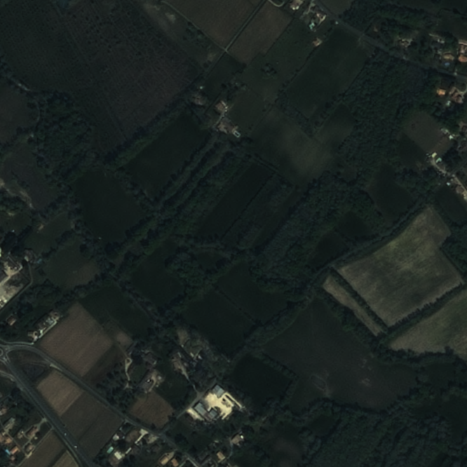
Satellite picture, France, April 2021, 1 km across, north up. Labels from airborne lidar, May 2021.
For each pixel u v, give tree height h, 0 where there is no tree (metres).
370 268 0
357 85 6
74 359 0
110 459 0
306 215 22
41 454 0
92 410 0
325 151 0
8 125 0
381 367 0
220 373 18
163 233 25
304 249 25
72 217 16
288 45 0
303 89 0
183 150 0
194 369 23
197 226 8
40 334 0
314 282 15
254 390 0
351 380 0
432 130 0
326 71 0
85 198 0
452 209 0
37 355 0
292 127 0
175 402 0
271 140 0
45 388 0
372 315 15
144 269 0
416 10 6
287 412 19
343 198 16
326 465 20
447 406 0
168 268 19
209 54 0
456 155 17
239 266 0
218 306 0
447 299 9
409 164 0
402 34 16
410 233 0
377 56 17
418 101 21
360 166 14
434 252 0
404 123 21
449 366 0
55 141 16
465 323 0
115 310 0
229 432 17
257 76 0
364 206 22
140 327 0
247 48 0
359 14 15
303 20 0
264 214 8
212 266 0
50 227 0
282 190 19
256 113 0
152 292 0
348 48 0
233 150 18
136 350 10
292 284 16
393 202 0
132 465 8
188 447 16
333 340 0
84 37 6
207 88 0
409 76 17
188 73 6
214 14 0
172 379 0
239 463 0
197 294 22
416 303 0
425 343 0
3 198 13
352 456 17
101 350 0
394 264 0
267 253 20
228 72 0
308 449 8
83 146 18
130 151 22
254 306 0
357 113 13
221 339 0
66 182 20
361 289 0
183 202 9
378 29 0
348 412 23
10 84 7
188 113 14
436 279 0
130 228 0
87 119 6
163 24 0
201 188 20
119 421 0
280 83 0
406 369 0
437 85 18
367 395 0
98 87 8
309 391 0
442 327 0
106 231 0
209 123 19
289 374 11
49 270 0
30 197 0
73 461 0
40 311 0
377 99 26
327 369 0
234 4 0
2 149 19
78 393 0
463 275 9
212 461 6
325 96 0
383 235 12
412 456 23
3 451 9
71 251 0
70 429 0
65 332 0
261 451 15
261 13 0
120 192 0
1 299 0
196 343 21
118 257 25
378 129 18
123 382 13
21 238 9
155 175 0
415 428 12
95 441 0
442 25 0
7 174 0
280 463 0
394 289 0
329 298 10
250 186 0
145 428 0
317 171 0
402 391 0
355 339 0
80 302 0
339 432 20
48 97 13
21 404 11
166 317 29
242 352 15
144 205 13
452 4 0
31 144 16
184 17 0
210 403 0
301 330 0
